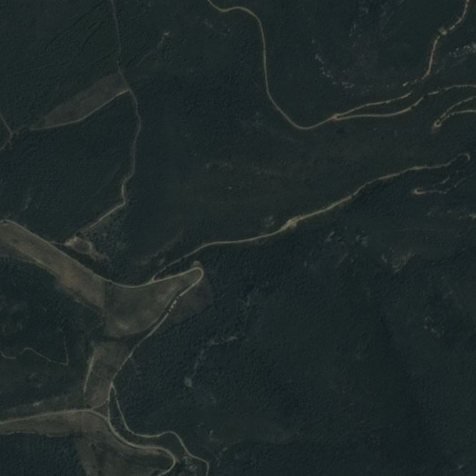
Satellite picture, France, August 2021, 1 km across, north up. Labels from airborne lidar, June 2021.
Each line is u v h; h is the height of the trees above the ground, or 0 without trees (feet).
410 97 18
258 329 0
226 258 19
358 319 21
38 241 0
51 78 26
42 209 18
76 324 22
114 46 25
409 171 23
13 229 0
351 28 25
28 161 22
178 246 27
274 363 26
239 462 0
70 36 21
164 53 23
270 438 0
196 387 0
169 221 0
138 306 0
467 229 22
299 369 0
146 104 19
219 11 0
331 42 19
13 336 18
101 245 23
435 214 19
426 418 26
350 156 0
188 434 23
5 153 19
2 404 22
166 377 26
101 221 0
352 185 19
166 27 0
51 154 23
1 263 20
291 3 19
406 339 0
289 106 0
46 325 19
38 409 0
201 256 24
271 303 0
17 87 17
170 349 24
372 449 27
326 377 0
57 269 0
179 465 22
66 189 18
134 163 0
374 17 18
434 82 19
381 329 23
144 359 20
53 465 23
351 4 18
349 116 0
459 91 20
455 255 24
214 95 26
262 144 0
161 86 23
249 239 0
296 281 22
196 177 0
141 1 21
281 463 17
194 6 17
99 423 0
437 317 18
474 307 0
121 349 0
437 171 29
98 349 0
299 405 20
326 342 0
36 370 0
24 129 36
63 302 20
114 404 22
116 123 19
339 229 19
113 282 35
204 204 0
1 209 20
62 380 21
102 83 0
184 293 0
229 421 0
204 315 26
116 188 20
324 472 23
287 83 0
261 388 23
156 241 0
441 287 0
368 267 18
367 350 20
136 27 18
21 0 0
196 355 28
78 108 0
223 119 20
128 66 20
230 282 24
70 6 0
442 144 21
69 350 17
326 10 18
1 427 0
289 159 0
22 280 26
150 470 0
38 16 0
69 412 0
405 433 27
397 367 21
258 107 19
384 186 23
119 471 0
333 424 18
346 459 28
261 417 0
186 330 31
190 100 22
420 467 21
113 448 0
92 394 0
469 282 0
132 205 28
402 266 0
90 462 0
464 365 18
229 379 22
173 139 0
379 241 0
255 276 21
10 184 19
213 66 0
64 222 20
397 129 0
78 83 24
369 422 18
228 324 38
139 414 25
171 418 20
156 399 21
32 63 19
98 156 24
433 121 26
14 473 21
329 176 19
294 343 0
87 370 0
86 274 0
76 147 20
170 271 20
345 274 22
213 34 22
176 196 0
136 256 0
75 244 0
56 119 0
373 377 20
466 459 0
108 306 0
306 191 0
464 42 22
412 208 19
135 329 0
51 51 21
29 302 18
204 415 0
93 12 30
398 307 0
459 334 20
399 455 20
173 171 0
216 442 0
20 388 20
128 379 20
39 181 18
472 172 23
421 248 0
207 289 0
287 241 21
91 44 26
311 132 0
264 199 0
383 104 20
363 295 22
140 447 0
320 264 0
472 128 21
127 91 0
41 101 23
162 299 0
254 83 22
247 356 22
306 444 18
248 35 19
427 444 24
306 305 22
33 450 18
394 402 20
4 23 0
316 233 22
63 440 25
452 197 26
